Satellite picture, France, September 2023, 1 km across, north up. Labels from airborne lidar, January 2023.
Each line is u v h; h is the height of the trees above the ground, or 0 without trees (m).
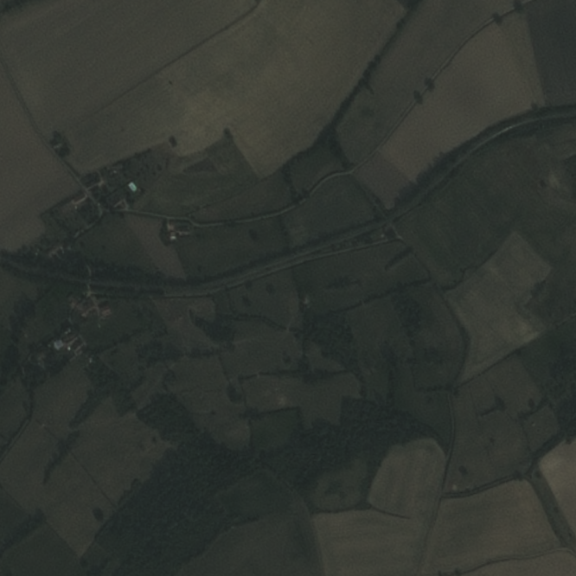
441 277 0
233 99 0
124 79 0
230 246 0
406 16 0
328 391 0
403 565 0
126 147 0
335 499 0
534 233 0
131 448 0
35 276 14
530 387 0
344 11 0
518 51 0
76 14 0
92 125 0
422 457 0
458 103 0
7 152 0
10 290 0
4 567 0
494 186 0
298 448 13
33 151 0
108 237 0
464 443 0
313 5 0
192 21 0
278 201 0
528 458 0
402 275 0
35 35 0
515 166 0
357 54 0
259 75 0
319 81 0
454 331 0
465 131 0
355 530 0
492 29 0
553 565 0
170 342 0
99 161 0
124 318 0
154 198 0
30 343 0
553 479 0
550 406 8
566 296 0
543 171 0
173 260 0
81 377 0
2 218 0
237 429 0
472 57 0
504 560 0
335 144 16
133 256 0
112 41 0
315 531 0
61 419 0
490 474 0
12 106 0
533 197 0
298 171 0
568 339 0
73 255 11
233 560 0
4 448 6
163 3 0
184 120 0
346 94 0
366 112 0
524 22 0
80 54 0
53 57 0
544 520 0
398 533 0
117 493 0
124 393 7
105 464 0
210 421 0
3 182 0
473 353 0
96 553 0
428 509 0
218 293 0
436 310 0
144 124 0
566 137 0
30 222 0
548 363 0
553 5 0
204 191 0
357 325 0
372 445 10
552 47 0
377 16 0
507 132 0
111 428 0
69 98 0
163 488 20
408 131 0
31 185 0
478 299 0
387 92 0
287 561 0
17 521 0
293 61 0
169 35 0
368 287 0
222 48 0
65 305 0
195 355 10
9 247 0
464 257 0
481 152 0
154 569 6
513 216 0
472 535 0
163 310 0
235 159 0
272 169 0
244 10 0
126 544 6
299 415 7
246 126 0
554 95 0
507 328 0
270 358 0
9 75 0
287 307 0
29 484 0
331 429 16
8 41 0
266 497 0
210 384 0
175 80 0
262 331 0
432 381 0
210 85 0
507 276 0
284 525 0
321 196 0
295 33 0
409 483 0
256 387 0
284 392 0
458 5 0
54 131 0
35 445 0
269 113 0
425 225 0
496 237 0
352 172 0
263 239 0
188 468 9
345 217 0
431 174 13
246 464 7
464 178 0
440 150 0
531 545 0
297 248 8
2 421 0
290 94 0
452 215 0
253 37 0
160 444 0
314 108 0
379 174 0
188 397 0
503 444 0
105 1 0
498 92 0
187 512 18
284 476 6
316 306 0
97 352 9
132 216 0
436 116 0
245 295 0
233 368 0
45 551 0
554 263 0
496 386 0
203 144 0
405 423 14
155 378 0
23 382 12
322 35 0
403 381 0
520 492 0
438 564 0
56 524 0
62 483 0
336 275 0
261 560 0
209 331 10
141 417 11
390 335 0
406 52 0
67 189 0
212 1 0
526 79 0
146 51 0
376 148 0
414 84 0
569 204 0
